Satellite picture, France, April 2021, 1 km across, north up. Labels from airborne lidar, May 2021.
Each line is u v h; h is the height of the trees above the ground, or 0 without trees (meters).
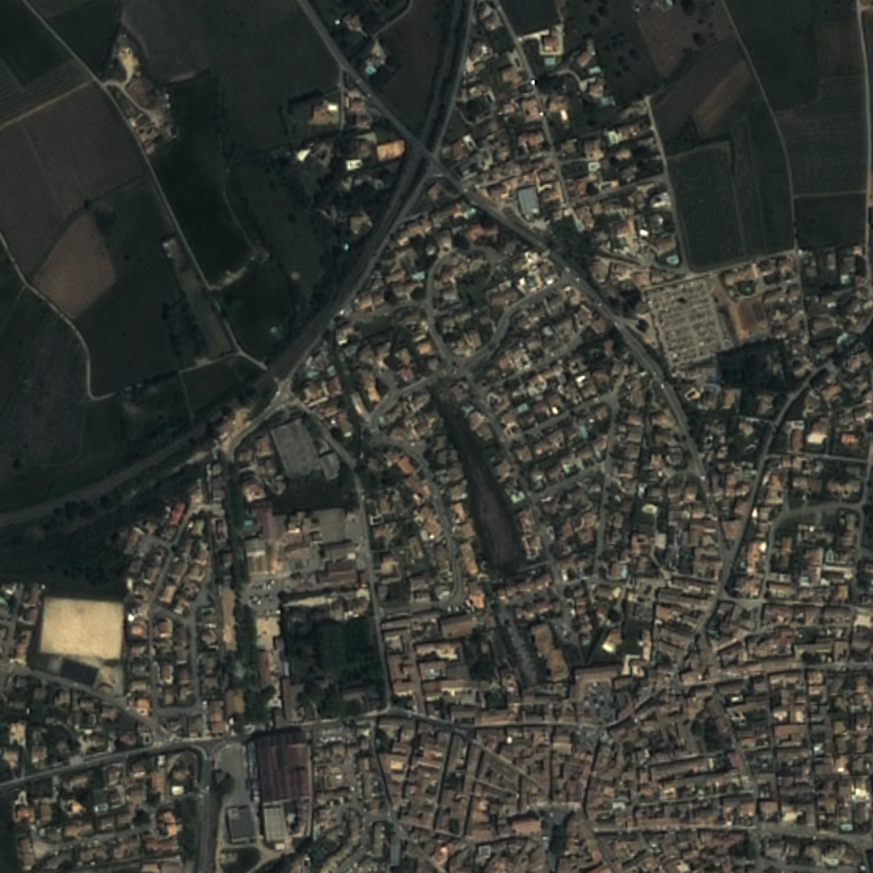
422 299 8
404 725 0
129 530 10
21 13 0
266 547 0
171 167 0
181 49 0
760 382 8
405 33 0
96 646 0
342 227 10
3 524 0
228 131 6
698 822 0
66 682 0
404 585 0
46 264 0
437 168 0
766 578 0
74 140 0
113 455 0
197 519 8
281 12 0
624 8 0
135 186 0
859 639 0
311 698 23
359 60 8
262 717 18
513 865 0
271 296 0
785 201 0
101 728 0
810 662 11
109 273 0
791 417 6
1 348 0
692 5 14
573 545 7
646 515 0
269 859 0
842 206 0
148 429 0
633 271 0
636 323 0
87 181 0
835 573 0
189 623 0
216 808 0
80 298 0
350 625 6
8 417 0
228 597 0
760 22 0
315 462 0
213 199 0
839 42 0
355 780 0
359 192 14
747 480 0
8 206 0
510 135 0
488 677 7
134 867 0
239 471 15
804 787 0
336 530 0
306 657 8
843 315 6
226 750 0
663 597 0
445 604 0
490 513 0
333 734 0
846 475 6
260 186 0
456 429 0
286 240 0
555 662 0
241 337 0
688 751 0
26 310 0
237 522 16
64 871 7
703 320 0
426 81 0
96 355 0
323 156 0
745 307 0
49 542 6
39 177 0
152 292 0
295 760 0
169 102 7
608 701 0
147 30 0
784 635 0
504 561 0
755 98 0
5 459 0
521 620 0
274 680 0
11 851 0
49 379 0
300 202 10
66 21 0
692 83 0
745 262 0
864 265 9
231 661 10
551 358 0
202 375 0
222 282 0
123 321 0
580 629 6
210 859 0
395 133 7
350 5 14
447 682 0
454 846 0
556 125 9
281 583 0
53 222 0
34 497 0
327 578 0
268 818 0
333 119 0
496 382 8
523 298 0
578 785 0
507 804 0
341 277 7
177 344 13
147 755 8
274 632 0
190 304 8
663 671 0
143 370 0
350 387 0
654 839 0
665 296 0
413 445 0
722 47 0
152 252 5
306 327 11
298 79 0
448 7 7
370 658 12
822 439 0
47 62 0
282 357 6
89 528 10
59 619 0
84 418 0
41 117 0
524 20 0
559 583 0
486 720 0
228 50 0
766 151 0
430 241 5
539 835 0
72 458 0
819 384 7
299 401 0
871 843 0
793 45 0
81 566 11
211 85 8
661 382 0
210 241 0
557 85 7
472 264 0
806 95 0
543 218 0
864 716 0
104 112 0
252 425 0
